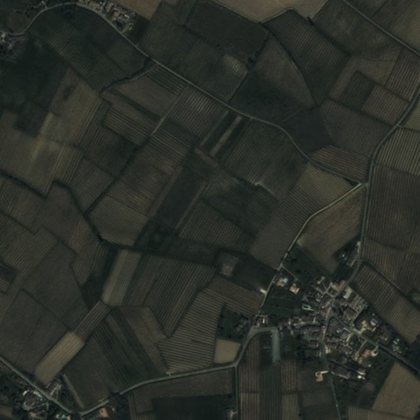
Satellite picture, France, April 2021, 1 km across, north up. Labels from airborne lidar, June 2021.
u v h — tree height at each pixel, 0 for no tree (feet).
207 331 0
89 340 0
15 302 0
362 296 0
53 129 0
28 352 0
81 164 0
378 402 0
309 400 0
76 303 0
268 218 0
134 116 0
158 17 0
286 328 40
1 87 0
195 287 0
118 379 0
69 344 0
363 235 0
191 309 0
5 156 0
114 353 0
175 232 0
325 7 0
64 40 0
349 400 0
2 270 0
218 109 0
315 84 0
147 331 0
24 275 0
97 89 0
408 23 0
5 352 0
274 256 0
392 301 0
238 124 0
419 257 0
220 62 0
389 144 0
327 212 0
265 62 0
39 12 0
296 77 0
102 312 0
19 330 0
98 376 0
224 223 0
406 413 0
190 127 0
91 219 0
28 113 0
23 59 0
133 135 0
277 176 0
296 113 0
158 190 0
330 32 0
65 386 26
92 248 0
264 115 0
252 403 0
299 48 0
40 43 0
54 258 0
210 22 0
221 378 0
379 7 0
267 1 0
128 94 0
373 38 0
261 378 0
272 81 0
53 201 0
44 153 0
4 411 0
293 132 0
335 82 0
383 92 0
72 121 0
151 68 50
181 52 0
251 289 0
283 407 0
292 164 0
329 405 0
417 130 0
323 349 0
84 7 0
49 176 0
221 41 0
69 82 0
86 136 0
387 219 0
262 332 0
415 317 0
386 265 0
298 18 0
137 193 0
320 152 0
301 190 0
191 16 0
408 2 0
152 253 0
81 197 0
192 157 0
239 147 0
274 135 0
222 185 0
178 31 0
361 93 0
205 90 0
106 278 0
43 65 0
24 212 0
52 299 0
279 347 0
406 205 0
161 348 0
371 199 0
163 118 0
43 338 0
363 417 0
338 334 29
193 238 0
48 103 0
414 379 0
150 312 0
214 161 0
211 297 0
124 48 0
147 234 0
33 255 0
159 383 0
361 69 0
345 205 0
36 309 0
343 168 0
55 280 0
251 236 0
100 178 0
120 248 0
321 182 0
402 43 0
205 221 0
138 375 0
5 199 0
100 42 0
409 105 0
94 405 0
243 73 0
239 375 0
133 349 0
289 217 0
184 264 0
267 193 0
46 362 0
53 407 26
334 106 0
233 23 0
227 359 0
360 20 0
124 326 0
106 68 0
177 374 0
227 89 0
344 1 0
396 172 0
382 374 0
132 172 0
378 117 0
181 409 0
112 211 0
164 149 0
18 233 0
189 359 0
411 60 0
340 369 0
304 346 19
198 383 0
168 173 0
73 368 0
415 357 34
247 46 0
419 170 0
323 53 0
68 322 0
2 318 0
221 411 0
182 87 0
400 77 0
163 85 0
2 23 25
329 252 0
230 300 0
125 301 0
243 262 0
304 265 0
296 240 0
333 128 0
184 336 0
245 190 0
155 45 0
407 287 0
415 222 0
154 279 0
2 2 0
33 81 0
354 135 0
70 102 0
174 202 0
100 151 0
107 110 0
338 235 0
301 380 0
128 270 0
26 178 0
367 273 0
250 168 0
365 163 0
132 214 0
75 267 0
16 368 0
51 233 0
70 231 0
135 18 0
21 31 0
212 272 0
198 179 0
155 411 0
